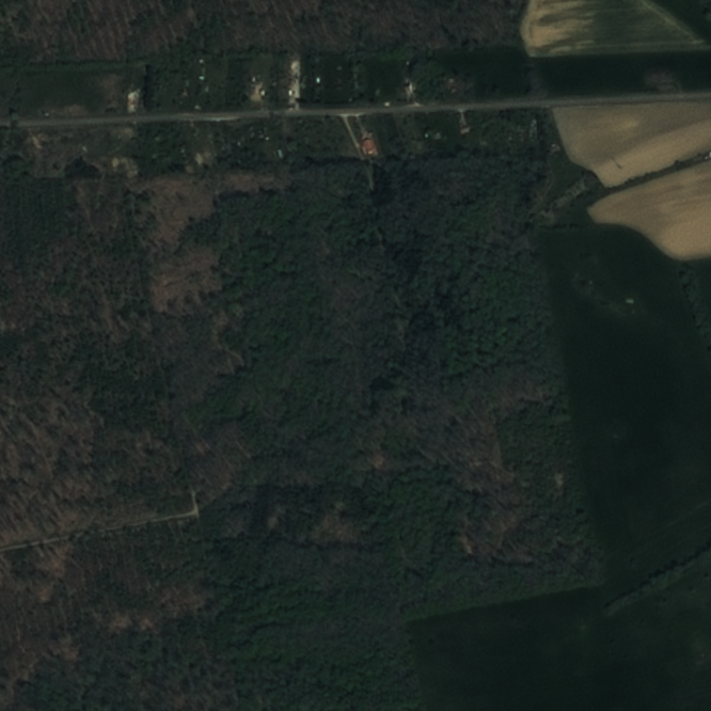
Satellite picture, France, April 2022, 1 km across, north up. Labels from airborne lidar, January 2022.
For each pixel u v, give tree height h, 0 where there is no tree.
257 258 20
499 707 0
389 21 20
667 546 0
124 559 7
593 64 0
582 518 14
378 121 0
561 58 0
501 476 0
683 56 0
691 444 0
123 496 16
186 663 23
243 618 22
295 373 28
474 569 28
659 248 0
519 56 0
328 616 24
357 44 18
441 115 0
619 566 0
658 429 0
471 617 0
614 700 0
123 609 8
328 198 29
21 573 7
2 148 0
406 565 27
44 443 0
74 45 13
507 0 17
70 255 10
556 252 0
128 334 31
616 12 0
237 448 28
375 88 0
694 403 0
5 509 24
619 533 0
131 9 16
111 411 7
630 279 0
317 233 28
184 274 0
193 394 23
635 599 10
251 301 23
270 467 24
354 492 13
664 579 16
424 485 23
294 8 16
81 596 7
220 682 26
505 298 25
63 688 25
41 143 0
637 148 0
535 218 8
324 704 25
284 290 23
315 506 19
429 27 23
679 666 0
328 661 23
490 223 24
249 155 14
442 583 25
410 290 26
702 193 0
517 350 25
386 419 30
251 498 18
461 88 0
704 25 0
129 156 0
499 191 25
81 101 0
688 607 0
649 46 0
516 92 0
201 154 0
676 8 0
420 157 8
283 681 24
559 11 0
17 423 0
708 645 0
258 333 27
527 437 11
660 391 0
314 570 28
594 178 14
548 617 0
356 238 22
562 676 0
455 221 26
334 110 0
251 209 23
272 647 25
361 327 28
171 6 15
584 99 0
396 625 29
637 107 0
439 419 33
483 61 0
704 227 0
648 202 0
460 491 30
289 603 27
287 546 24
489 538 31
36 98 0
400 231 29
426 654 0
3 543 25
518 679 0
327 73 0
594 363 0
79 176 8
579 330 0
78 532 0
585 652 0
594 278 0
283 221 21
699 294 15
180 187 0
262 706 24
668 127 0
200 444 19
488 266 27
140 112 0
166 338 25
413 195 28
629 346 0
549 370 28
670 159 0
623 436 0
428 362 17
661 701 0
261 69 0
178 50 15
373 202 21
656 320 0
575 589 22
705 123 0
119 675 24
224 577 12
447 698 0
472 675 0
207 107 8
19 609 7
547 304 22
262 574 22
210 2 12
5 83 0
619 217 0
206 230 16
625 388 0
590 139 0
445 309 14
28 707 14
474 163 27
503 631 0
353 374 28
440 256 27
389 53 16
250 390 30
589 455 0
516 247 30
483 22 20
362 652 26
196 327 25
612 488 0
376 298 27
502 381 30
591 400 0
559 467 8
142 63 11
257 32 19
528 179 27
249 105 17
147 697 21
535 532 12
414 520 21
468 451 30
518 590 22
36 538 0
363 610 28
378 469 29
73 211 10
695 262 0
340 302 30
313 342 27
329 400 23
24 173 11
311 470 28
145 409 14
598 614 0
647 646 0
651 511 0
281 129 9
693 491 0
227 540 5
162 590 7
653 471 0
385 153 0
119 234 8
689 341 0
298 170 20
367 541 13
